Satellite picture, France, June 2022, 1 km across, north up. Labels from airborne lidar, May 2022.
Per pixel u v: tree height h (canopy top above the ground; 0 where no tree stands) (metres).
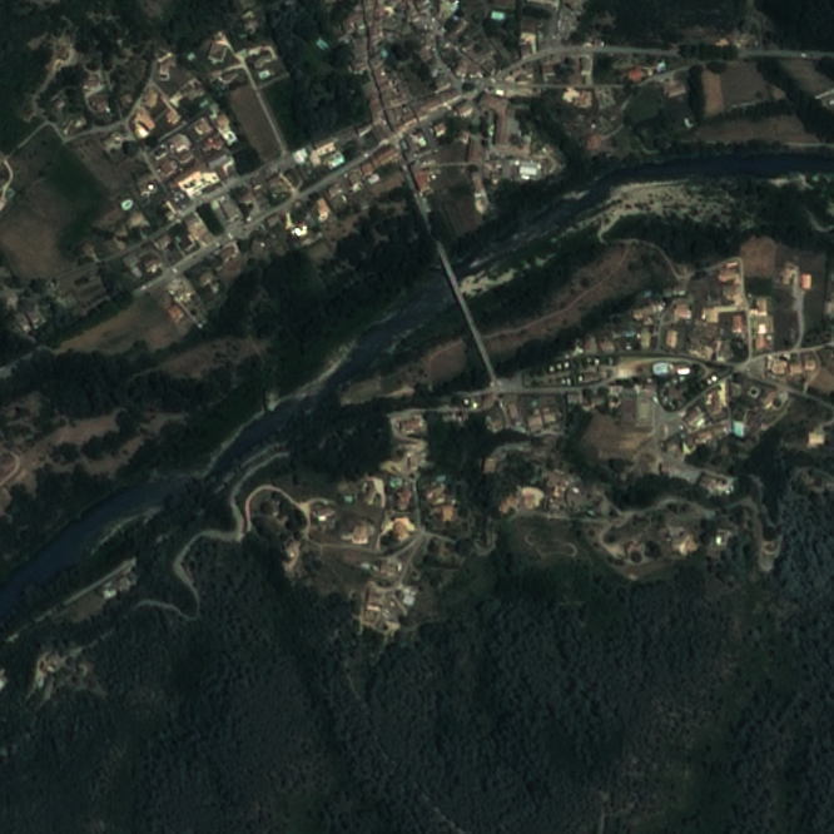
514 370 12
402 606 0
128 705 6
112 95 7
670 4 9
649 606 19
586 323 9
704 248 18
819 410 0
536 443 6
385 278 25
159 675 8
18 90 10
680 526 0
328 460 8
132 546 15
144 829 7
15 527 8
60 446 6
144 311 0
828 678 11
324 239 0
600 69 9
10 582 0
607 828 12
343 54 24
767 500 14
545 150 0
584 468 9
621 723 11
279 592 9
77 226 0
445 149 0
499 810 17
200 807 13
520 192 9
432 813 12
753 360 0
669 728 17
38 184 0
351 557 0
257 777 15
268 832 15
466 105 0
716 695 13
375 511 0
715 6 10
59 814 5
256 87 0
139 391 27
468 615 6
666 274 0
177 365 0
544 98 7
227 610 10
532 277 14
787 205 14
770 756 19
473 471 7
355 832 20
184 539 7
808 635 19
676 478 12
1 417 11
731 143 8
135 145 23
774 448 7
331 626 8
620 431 0
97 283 0
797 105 7
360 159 0
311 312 17
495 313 8
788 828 6
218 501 10
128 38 8
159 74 0
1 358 8
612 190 0
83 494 12
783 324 0
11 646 9
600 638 7
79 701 6
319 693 9
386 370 6
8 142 6
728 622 15
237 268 0
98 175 0
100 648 9
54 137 0
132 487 0
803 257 0
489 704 8
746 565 6
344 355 0
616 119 0
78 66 13
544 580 12
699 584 6
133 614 10
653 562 0
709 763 20
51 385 8
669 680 14
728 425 0
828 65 13
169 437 7
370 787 22
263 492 0
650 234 14
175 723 20
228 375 9
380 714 17
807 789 8
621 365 0
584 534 14
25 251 0
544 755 19
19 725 13
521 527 0
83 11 7
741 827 7
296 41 26
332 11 8
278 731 19
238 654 11
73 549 0
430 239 15
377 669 6
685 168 0
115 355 6
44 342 16
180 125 0
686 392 6
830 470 8
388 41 9
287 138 0
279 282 15
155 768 10
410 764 18
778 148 11
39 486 7
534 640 24
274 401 0
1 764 10
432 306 0
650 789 19
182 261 0
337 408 11
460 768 16
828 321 7
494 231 13
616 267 0
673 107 0
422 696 19
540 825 16
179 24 8
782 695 10
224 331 11
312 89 8
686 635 7
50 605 9
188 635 11
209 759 9
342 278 13
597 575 7
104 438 7
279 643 8
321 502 0
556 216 0
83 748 7
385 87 0
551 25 0
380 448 8
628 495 6
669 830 14
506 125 0
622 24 7
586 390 10
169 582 8
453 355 0
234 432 0
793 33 10
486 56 0
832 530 8
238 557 7
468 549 15
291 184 0
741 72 0
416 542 0
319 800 9
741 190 17
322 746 11
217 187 0
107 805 7
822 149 8
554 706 21
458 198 0
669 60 8
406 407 8
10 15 14
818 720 5
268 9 6
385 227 17
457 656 14
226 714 16
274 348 8
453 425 10
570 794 14
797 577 12
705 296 0
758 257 0
